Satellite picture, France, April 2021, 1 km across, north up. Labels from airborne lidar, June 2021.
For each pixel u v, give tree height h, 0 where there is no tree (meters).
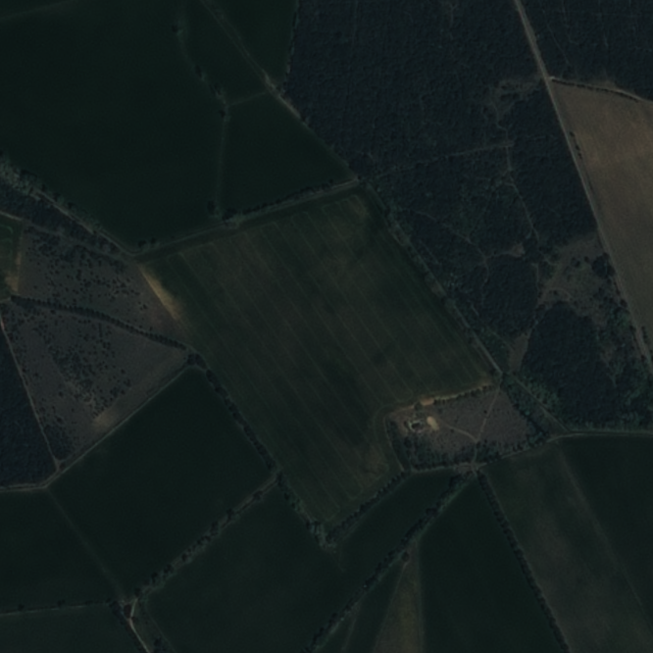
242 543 0
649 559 0
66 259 6
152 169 0
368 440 0
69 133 0
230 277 0
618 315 15
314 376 0
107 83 0
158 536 0
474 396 9
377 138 7
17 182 14
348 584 0
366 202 0
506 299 6
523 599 0
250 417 0
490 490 11
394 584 0
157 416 0
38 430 7
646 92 5
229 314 0
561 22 5
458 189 6
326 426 0
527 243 7
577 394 7
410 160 6
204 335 0
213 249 0
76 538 0
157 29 0
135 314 0
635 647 0
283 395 0
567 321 8
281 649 0
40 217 8
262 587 0
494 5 8
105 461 0
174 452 0
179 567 0
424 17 6
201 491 0
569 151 6
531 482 0
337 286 0
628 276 0
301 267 0
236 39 0
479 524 0
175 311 0
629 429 18
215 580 0
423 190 9
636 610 0
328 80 7
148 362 0
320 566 0
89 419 0
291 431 0
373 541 0
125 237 0
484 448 8
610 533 0
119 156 0
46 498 0
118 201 0
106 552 0
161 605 0
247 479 0
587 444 0
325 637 11
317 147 0
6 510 0
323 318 0
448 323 0
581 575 0
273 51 0
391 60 7
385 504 0
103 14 0
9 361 7
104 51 0
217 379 11
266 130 0
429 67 7
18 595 0
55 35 0
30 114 0
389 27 7
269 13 0
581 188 7
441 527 0
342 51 8
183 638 0
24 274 0
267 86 0
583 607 0
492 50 8
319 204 0
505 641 0
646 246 0
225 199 0
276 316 0
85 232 5
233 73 0
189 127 0
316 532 15
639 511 0
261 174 0
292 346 0
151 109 0
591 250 0
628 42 6
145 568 0
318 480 0
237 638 0
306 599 0
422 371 0
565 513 0
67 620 0
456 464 8
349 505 0
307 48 7
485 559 0
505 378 11
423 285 0
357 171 10
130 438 0
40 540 0
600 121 0
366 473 0
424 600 0
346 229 0
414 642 0
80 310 9
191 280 0
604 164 0
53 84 0
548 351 8
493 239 6
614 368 10
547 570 0
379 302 0
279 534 0
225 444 0
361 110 6
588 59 6
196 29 0
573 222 7
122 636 0
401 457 0
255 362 0
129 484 0
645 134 0
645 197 0
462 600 0
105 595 0
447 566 0
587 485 0
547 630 0
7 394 8
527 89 0
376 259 0
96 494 0
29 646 0
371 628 0
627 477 0
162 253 0
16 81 0
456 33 6
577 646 0
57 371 0
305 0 9
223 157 0
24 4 0
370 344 0
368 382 0
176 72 0
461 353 0
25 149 0
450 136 7
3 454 8
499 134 7
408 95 6
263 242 0
